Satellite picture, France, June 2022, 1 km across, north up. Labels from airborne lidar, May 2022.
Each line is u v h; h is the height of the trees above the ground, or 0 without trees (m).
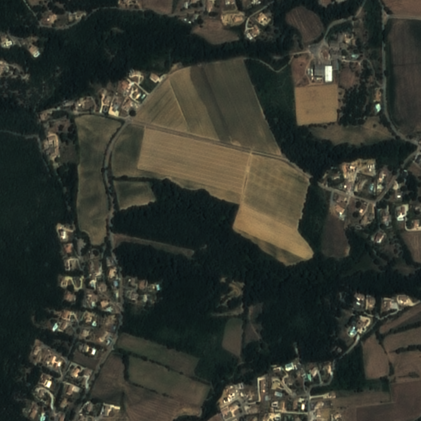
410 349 9
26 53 11
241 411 7
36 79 6
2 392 8
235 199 0
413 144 8
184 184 0
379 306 10
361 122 10
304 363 9
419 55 0
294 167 0
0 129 9
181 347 10
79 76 13
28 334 7
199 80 0
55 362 0
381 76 7
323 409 0
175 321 12
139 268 24
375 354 0
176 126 0
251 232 0
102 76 14
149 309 7
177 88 0
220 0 0
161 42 19
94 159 0
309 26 0
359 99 9
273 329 7
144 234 10
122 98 0
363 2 10
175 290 10
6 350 10
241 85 0
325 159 20
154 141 0
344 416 0
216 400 9
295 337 18
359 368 10
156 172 0
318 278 17
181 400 0
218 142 0
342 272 9
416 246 0
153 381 0
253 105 0
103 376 0
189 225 17
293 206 0
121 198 0
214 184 0
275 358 11
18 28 17
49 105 10
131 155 0
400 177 6
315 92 0
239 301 13
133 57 8
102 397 0
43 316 11
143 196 0
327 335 6
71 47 11
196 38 7
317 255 11
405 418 0
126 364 10
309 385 12
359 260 7
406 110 0
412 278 17
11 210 6
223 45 11
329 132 0
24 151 9
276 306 11
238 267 15
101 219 0
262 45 16
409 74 0
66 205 13
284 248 0
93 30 17
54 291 10
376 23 6
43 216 7
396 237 9
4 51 12
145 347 0
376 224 7
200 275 20
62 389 8
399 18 0
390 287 8
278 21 20
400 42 0
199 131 0
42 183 8
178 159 0
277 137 9
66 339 11
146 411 0
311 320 7
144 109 0
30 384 10
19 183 8
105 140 0
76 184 13
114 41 13
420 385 0
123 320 9
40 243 9
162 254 16
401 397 0
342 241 0
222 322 8
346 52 8
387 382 7
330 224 0
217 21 0
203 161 0
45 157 13
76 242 12
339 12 14
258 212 0
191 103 0
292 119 8
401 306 0
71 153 0
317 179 9
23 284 9
